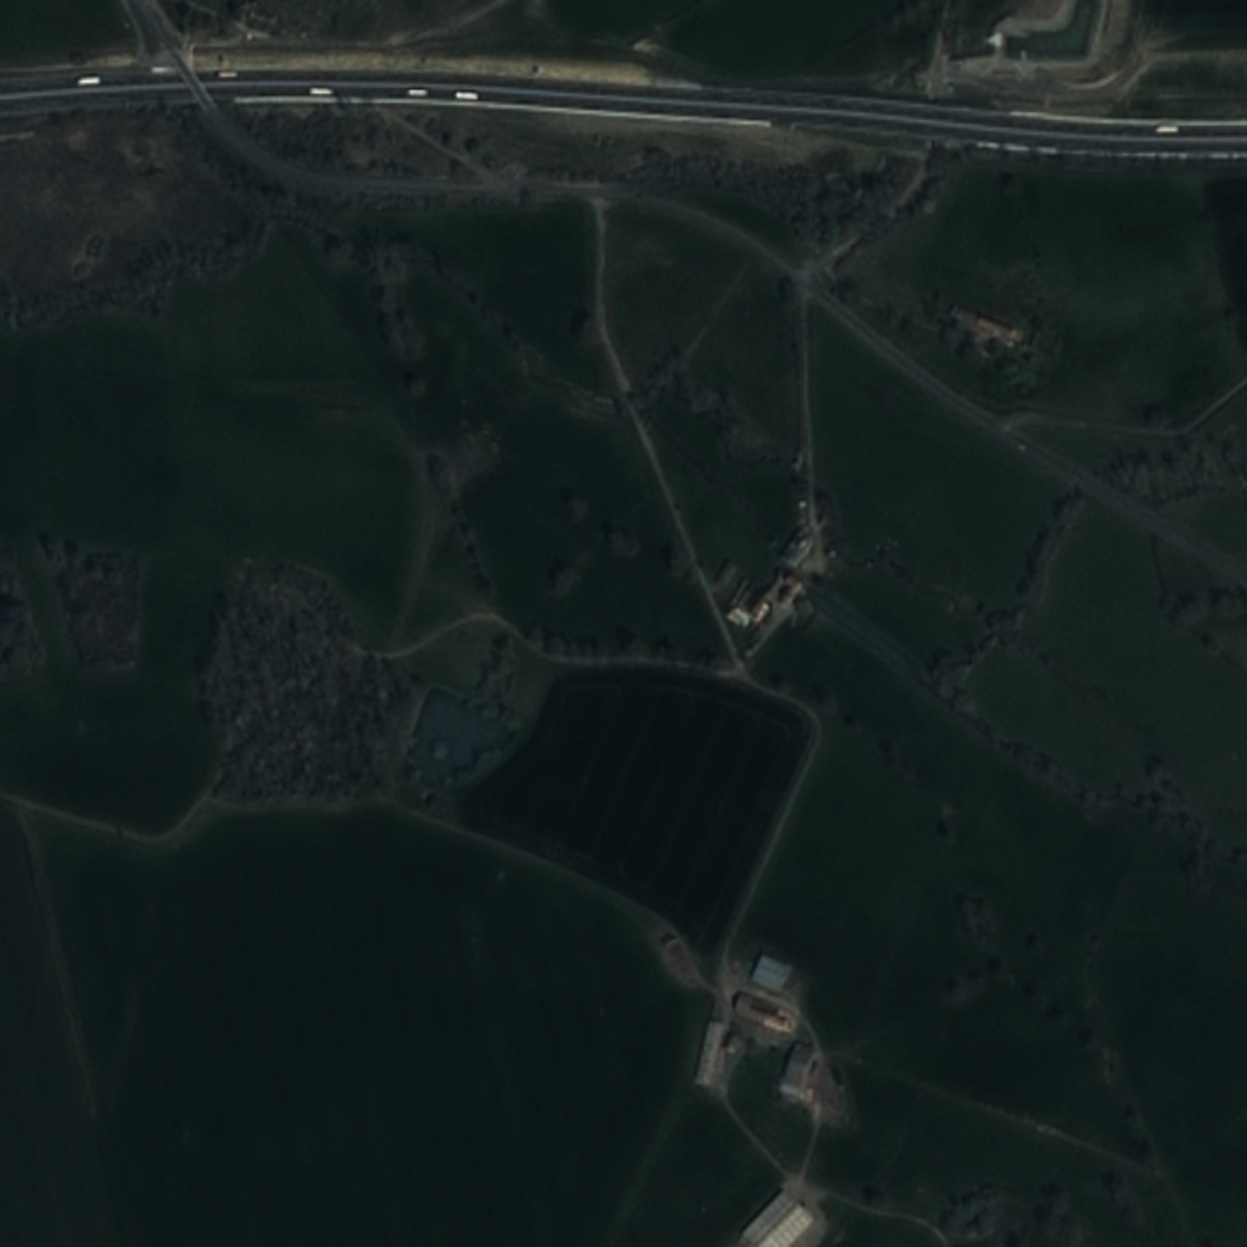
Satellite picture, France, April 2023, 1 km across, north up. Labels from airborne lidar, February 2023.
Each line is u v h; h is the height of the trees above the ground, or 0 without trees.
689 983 0
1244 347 0
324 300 0
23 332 11
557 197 0
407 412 0
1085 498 12
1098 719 0
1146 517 0
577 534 0
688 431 0
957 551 0
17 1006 0
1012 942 0
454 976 0
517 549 0
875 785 0
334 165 13
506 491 0
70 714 0
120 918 0
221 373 0
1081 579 0
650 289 0
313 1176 0
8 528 0
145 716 0
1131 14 0
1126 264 0
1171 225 0
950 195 0
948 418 0
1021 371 13
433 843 0
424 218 0
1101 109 0
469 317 0
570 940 0
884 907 0
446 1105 0
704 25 0
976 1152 0
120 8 0
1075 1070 0
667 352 0
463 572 0
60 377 0
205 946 0
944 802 0
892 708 0
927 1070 0
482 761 14
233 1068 0
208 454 0
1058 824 0
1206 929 0
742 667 10
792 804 0
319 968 0
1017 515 0
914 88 0
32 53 0
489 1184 0
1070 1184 0
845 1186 0
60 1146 0
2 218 0
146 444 0
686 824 0
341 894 0
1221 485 19
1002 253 0
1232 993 0
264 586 0
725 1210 0
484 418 0
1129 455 0
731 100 0
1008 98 0
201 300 0
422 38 0
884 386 0
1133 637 0
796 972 0
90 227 0
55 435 0
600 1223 0
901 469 0
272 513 0
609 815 0
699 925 0
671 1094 0
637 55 0
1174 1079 0
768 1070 0
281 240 0
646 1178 0
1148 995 0
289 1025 0
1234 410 0
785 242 0
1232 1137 0
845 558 9
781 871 0
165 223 0
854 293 16
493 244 0
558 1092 0
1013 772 0
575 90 0
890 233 11
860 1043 0
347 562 0
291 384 0
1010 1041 0
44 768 0
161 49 0
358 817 0
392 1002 0
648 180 10
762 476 0
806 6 0
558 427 0
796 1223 0
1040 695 0
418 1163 0
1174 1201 0
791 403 0
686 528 0
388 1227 0
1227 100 0
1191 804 0
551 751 0
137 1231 0
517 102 0
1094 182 0
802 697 0
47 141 0
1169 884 0
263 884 0
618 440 0
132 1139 0
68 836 0
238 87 0
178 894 0
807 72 0
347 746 17
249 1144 0
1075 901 0
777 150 0
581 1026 0
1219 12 0
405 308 0
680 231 0
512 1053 0
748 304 0
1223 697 0
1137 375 0
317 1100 0
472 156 14
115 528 0
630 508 0
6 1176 0
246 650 20
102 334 0
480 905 0
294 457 0
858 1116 0
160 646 0
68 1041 0
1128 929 0
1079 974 0
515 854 0
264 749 14
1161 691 0
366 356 0
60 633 0
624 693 0
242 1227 0
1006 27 0
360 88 0
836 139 0
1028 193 0
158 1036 0
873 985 0
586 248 0
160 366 0
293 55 0
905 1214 0
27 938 0
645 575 0
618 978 0
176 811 0
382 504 0
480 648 0
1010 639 14
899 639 0
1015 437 0
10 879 0
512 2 0
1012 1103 0
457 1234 0
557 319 0
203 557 0
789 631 0
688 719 0
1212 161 7
